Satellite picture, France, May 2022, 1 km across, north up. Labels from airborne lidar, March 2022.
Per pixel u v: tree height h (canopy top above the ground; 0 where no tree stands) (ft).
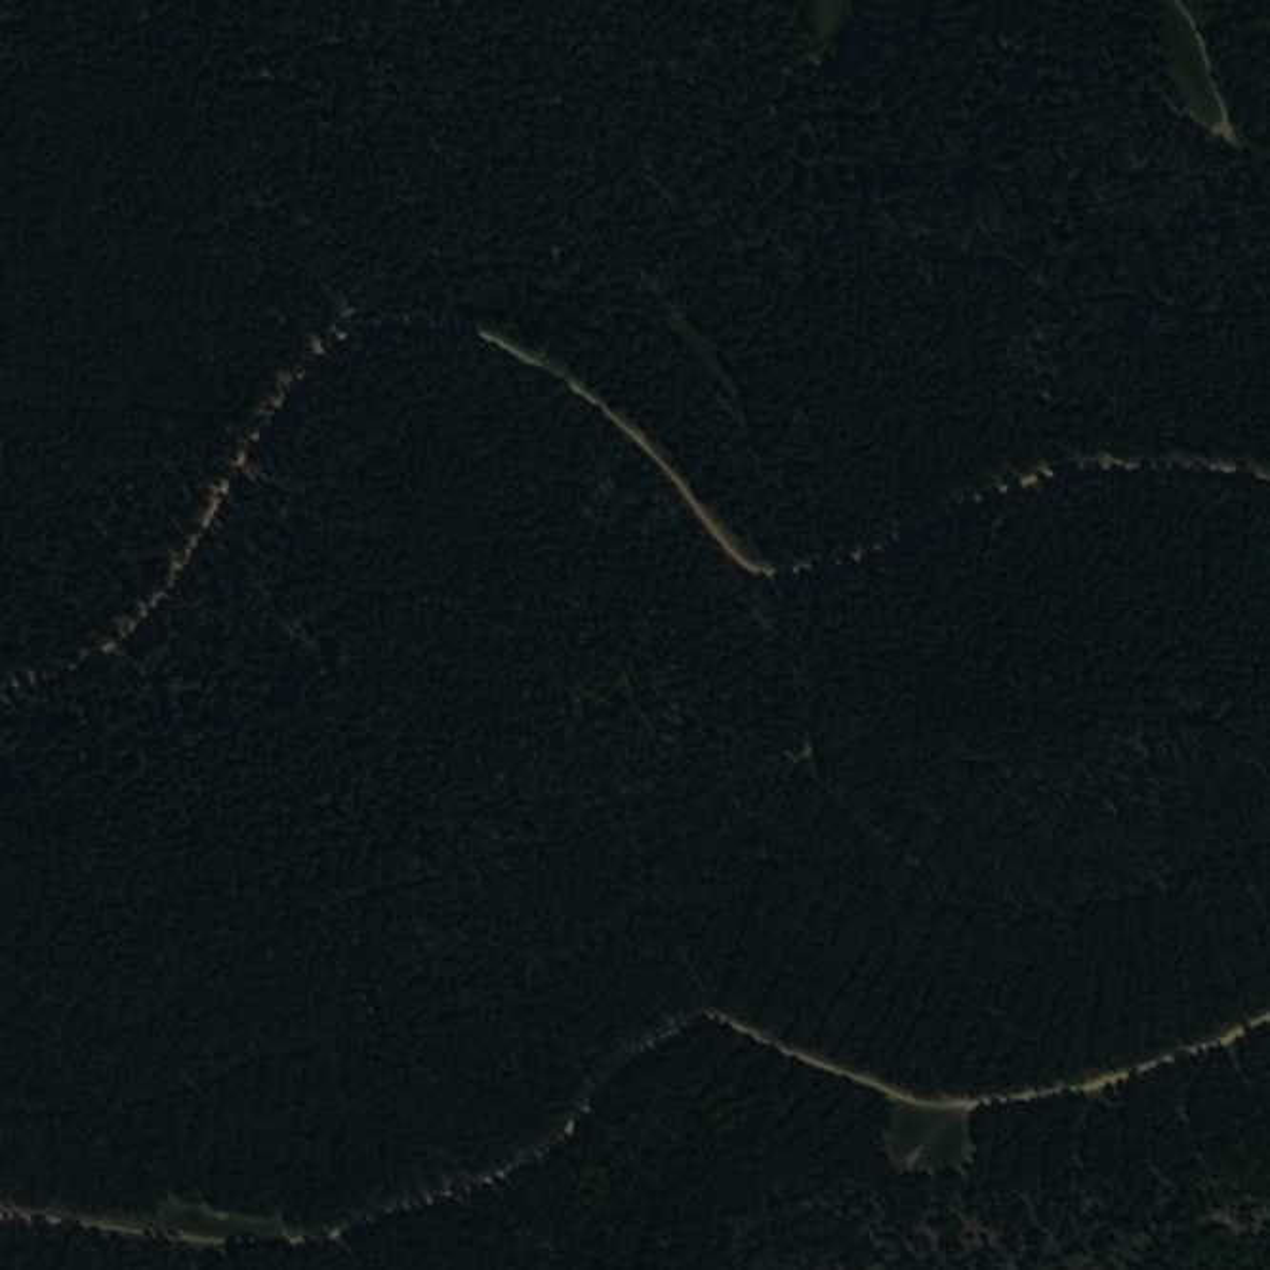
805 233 103
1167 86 106
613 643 81
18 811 82
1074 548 86
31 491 76
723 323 94
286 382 83
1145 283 20
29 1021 71
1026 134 103
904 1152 0
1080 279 85
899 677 76
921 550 88
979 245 102
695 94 96
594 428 91
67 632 91
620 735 88
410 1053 72
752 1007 69
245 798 93
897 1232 27
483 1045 75
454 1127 73
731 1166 37
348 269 95
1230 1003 62
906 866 67
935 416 95
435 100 77
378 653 87
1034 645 82
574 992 75
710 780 80
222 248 71
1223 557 90
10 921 82
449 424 70
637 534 106
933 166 106
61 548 84
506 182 89
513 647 71
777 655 90
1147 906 75
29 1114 67
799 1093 58
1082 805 67
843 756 80
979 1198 37
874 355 84
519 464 76
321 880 89
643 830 52
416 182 95
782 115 102
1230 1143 56
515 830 70
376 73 90
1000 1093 49
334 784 100
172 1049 62
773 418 77
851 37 0
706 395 99
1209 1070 58
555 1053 72
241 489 80
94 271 62
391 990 63
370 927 90
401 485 71
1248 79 24
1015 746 65
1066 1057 55
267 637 33
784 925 54
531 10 82
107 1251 79
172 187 74
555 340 95
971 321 89
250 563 85
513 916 83
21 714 92
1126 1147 49
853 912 71
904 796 55
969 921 64
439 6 74
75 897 82
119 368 71
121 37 79
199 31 92
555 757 81
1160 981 68
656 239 95
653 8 91
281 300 87
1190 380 80
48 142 63
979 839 55
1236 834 70
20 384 58
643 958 74
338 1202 79
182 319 72
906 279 85
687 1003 50
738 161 85
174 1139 62
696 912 77
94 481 68
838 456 84
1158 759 57
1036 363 97
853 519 89
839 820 73
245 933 66
